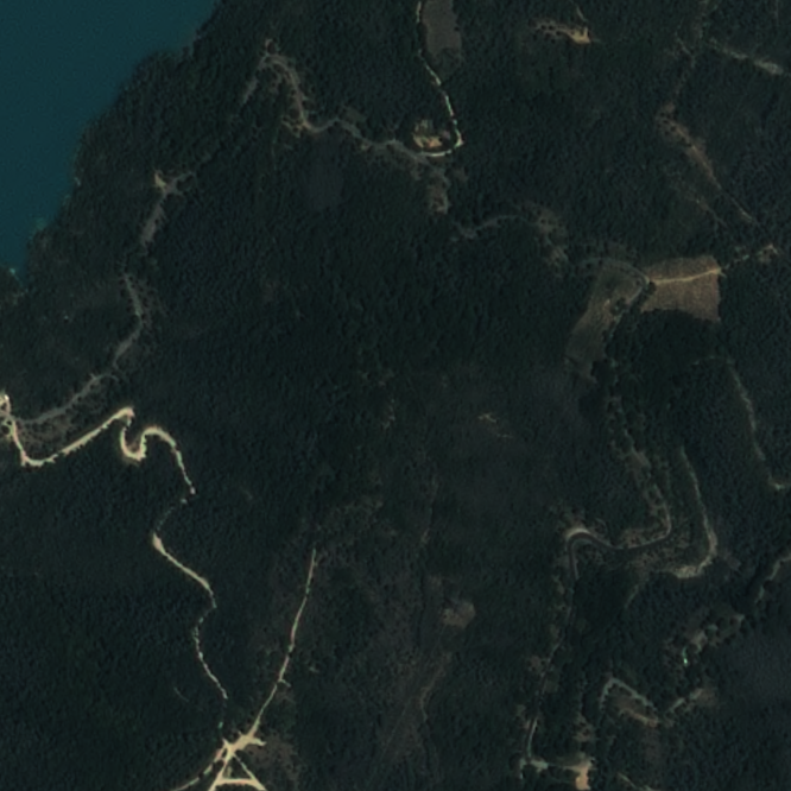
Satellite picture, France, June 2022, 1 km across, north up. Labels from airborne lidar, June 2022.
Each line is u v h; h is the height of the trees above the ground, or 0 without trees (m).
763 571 16
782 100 20
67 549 6
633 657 11
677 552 7
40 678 18
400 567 11
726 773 20
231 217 17
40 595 13
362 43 18
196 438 10
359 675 7
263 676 8
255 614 6
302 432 10
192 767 15
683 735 13
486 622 6
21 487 14
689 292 0
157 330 11
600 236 16
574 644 18
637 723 8
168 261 14
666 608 16
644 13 15
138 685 16
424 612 10
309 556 13
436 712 8
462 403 9
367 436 10
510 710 5
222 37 13
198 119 18
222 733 9
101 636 16
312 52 17
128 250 13
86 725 16
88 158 6
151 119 5
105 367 13
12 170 0
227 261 18
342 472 14
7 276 7
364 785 7
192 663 9
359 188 10
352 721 10
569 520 7
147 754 13
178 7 0
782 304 8
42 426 7
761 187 18
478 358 9
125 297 11
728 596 8
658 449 15
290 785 10
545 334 11
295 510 10
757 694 7
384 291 14
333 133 11
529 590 7
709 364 14
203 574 8
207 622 9
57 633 15
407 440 11
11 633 6
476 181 17
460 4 12
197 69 15
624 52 10
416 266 17
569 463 7
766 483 12
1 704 20
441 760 8
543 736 15
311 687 8
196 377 7
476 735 13
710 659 10
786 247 13
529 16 11
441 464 13
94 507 13
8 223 0
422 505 10
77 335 8
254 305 10
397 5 11
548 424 9
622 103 13
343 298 11
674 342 22
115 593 7
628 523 9
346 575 12
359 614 6
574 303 12
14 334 5
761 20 17
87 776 12
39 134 0
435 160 9
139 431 9
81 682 13
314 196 9
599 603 13
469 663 5
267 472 10
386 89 16
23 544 9
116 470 12
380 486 7
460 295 24
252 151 18
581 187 12
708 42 7
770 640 9
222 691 6
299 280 12
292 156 17
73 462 9
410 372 6
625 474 14
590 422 8
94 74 0
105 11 0
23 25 0
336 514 7
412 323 17
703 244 12
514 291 13
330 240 10
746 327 15
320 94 7
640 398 21
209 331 7
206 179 15
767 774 14
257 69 8
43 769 6
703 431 12
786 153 18
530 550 9
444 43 0
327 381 14
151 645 10
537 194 8
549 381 6
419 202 7
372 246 17
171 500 13
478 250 16
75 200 6
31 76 0
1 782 13
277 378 16
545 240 12
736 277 9
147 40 0
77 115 0
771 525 22
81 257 10
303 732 7
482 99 17
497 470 7
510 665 11
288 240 17
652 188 10
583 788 0
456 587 8
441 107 18
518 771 9
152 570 9
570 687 12
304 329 15
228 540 13
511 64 13
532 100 7
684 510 8
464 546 8
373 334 16
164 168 13
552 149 17
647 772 13
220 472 6
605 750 14
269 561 8
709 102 8
